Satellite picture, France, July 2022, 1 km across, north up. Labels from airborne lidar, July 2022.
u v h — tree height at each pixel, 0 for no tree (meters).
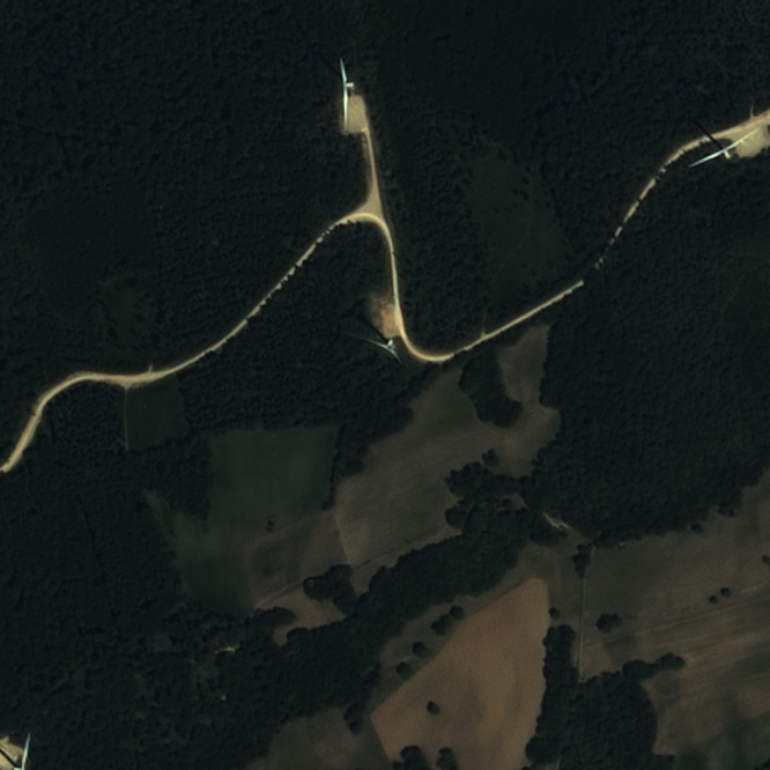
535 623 0
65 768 19
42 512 21
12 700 10
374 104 13
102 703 16
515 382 0
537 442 0
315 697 26
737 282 7
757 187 23
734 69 23
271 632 17
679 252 16
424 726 0
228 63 26
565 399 23
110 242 16
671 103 25
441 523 0
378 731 0
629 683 20
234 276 17
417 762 20
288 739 0
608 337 17
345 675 24
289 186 14
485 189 0
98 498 30
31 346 19
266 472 0
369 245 15
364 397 24
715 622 0
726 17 19
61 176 19
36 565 17
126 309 0
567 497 10
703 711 0
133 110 26
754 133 0
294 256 14
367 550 0
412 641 0
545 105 13
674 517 20
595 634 0
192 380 13
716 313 12
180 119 24
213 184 19
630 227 16
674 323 14
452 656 0
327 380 16
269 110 25
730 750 0
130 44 27
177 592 20
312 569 0
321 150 11
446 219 21
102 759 17
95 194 15
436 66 16
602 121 18
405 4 9
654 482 14
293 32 27
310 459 0
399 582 26
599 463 20
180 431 0
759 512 0
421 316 17
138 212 13
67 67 31
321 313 13
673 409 8
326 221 12
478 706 0
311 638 16
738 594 0
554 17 15
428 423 0
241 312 19
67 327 15
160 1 18
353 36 18
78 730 17
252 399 12
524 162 20
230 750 18
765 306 8
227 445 0
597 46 11
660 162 10
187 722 19
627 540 18
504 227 0
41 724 16
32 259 12
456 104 17
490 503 19
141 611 26
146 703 21
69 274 15
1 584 20
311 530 0
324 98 21
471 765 0
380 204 0
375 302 0
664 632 0
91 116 26
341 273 13
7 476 21
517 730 0
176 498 24
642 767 14
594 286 26
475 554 19
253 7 22
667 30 21
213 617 20
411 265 21
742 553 0
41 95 28
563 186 22
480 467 20
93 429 16
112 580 28
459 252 20
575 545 0
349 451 20
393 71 14
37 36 30
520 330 18
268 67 25
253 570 0
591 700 10
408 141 15
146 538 23
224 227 12
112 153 27
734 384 19
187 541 0
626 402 18
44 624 25
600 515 19
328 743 0
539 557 0
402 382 19
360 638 22
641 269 22
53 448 22
